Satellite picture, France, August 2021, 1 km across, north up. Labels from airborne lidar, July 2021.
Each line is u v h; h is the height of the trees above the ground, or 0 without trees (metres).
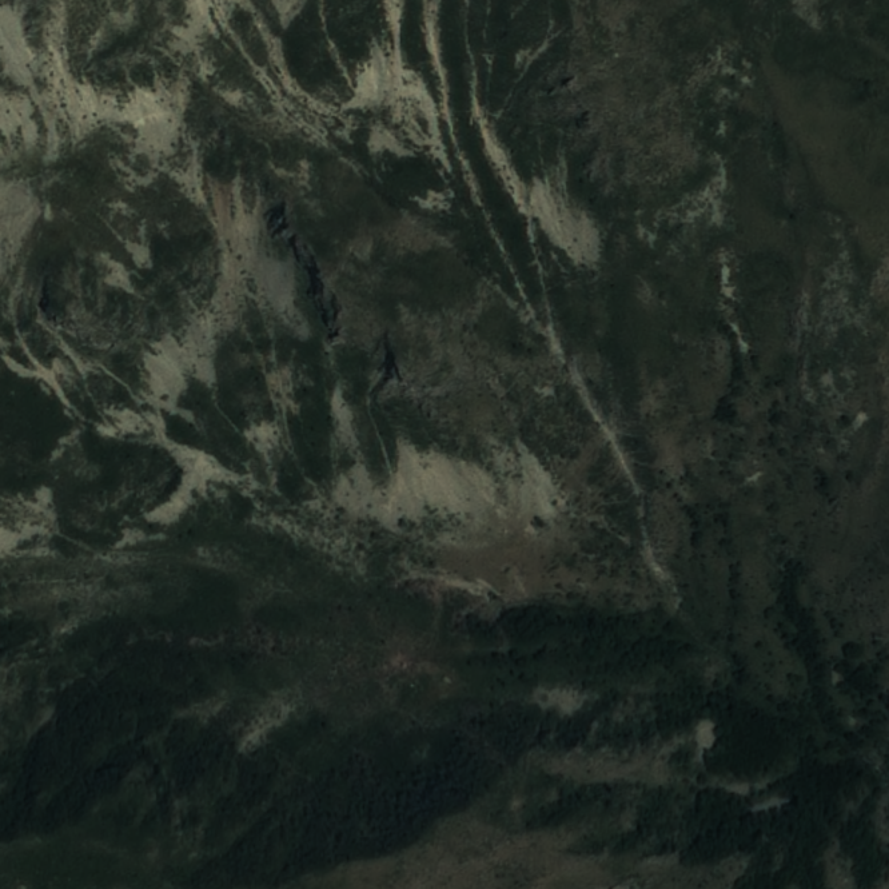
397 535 0
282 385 0
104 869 0
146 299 0
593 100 0
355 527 0
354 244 0
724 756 14
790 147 0
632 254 0
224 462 0
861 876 12
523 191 0
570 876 0
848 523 0
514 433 0
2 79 0
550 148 0
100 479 0
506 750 5
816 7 0
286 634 0
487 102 0
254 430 0
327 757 0
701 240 0
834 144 0
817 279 0
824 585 0
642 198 0
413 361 0
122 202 0
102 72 0
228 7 0
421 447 0
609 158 0
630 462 0
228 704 0
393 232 0
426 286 0
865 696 16
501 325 0
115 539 0
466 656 0
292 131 0
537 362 0
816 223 0
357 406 0
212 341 0
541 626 6
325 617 0
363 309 0
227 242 0
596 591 0
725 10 0
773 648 0
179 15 0
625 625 7
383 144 0
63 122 0
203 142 0
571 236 0
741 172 0
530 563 0
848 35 0
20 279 0
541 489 0
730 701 16
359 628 0
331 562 0
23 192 0
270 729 0
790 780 8
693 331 0
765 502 0
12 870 0
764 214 0
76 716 6
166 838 0
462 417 0
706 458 0
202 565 0
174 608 0
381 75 0
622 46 0
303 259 0
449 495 0
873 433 0
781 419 14
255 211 0
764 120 0
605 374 0
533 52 0
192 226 0
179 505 0
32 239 0
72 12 0
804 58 0
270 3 0
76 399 0
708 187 0
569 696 0
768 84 0
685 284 0
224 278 0
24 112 0
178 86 0
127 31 0
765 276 0
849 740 18
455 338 0
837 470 0
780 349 0
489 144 0
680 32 0
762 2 0
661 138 0
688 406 0
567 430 0
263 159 0
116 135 0
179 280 0
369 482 0
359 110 0
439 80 0
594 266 0
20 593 0
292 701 0
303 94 0
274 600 0
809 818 16
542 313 0
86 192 0
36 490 0
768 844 8
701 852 14
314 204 0
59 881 0
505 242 0
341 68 0
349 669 0
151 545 0
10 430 0
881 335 0
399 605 0
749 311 0
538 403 0
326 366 0
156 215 0
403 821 7
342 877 0
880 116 0
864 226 0
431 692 0
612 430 0
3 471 0
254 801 6
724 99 0
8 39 0
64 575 0
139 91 0
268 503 0
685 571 0
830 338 0
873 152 0
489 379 0
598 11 0
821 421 0
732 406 8
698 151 0
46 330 0
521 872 0
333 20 0
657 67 0
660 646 10
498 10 0
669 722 12
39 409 0
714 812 18
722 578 0
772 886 11
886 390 0
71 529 0
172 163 0
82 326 0
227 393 0
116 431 0
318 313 0
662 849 7
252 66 0
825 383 0
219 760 7
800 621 7
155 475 0
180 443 0
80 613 0
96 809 0
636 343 0
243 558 0
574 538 0
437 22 0
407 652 0
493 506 0
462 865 0
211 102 0
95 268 0
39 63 0
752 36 0
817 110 0
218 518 0
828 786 11
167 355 0
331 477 0
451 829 0
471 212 0
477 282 0
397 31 0
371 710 0
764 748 13
